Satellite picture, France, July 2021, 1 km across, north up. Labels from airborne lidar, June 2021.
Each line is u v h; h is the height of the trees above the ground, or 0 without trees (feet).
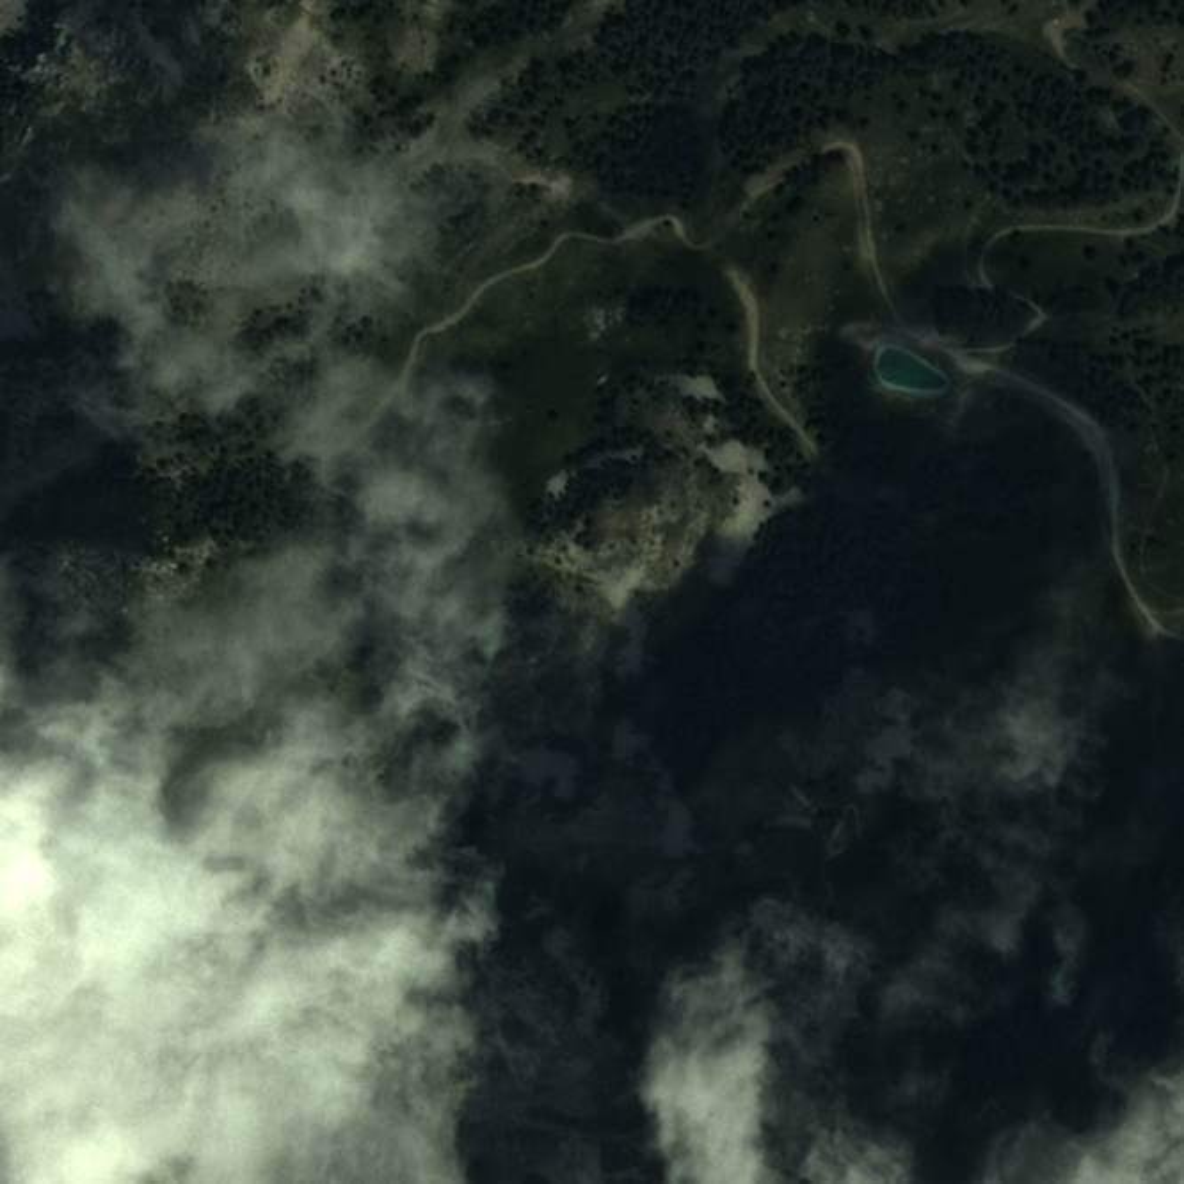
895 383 0
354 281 36
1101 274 0
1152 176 36
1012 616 0
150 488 39
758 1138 0
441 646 0
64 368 25
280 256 0
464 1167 0
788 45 76
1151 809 0
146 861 0
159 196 0
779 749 0
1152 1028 72
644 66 49
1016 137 0
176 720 0
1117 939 0
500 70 0
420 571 0
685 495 0
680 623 0
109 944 0
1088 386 60
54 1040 0
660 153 50
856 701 0
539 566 0
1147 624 0
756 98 76
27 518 31
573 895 0
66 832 0
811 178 47
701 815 0
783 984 29
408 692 0
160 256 0
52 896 0
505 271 0
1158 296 86
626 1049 0
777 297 0
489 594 0
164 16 0
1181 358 67
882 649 39
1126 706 0
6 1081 0
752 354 0
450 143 0
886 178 0
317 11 0
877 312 0
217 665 0
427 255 18
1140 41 0
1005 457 0
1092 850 0
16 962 0
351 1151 0
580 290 0
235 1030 0
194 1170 0
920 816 57
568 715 0
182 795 0
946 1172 0
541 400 0
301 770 0
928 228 0
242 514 53
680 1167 0
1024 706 0
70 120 0
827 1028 0
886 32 0
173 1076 0
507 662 0
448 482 0
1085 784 0
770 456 54
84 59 0
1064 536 0
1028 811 0
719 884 0
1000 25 0
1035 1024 86
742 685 55
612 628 0
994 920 0
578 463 47
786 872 0
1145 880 0
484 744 0
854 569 34
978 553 0
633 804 0
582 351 0
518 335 0
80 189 0
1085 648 0
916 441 0
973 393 0
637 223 0
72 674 0
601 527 0
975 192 0
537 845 0
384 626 0
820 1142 0
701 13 69
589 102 0
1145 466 0
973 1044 60
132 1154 0
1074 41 0
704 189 0
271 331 22
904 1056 0
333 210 0
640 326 42
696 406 33
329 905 49
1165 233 38
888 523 26
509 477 0
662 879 0
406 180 0
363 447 0
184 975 36
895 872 0
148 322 31
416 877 53
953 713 0
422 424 0
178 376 0
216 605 0
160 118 0
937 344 0
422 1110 0
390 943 40
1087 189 79
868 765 0
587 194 0
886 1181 0
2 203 0
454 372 0
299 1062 0
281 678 0
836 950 0
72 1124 0
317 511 33
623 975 0
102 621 0
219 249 0
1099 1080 0
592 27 0
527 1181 0
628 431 39
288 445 32
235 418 36
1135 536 0
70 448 0
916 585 23
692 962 0
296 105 0
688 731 59
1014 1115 0
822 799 0
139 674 23
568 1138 0
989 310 52
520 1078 0
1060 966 79
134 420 0
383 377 0
